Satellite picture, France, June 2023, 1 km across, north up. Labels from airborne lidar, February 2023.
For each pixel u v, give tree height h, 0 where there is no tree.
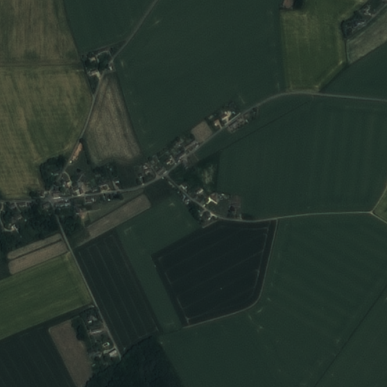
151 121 0
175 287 0
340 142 0
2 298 0
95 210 0
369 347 0
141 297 0
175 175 0
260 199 0
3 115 0
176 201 0
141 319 0
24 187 0
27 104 0
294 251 0
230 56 0
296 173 0
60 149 0
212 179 0
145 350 24
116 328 0
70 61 0
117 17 0
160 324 0
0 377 0
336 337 0
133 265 0
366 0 0
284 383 0
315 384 0
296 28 0
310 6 0
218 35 0
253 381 0
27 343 0
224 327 0
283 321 0
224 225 0
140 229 0
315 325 0
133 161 0
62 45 0
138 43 0
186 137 0
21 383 0
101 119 0
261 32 0
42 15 0
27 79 0
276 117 0
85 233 0
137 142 0
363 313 0
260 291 0
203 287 0
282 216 0
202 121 0
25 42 0
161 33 0
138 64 0
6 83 0
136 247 0
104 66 11
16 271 0
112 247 0
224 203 0
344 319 0
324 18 0
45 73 0
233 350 0
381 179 0
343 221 0
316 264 0
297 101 0
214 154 0
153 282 0
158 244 0
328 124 0
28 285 0
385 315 0
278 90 0
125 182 0
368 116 0
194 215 14
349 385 0
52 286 0
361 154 0
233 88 0
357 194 0
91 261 0
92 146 0
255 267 0
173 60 0
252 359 0
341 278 0
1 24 0
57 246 0
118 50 0
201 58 0
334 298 0
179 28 0
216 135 0
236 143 0
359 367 0
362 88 0
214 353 0
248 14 0
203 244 0
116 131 0
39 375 0
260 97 0
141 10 0
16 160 0
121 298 0
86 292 0
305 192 0
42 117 0
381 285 0
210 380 0
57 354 0
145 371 24
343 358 0
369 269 0
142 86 0
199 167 0
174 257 0
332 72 0
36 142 0
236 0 0
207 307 0
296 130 0
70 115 0
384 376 0
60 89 0
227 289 0
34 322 0
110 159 0
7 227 11
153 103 0
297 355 0
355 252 0
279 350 0
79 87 0
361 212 0
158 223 0
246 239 0
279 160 0
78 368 0
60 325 0
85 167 0
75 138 0
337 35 0
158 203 0
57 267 0
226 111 0
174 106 0
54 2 0
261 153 0
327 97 0
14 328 0
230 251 0
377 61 0
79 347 0
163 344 0
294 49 0
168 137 0
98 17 0
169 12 0
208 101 0
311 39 0
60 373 0
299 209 0
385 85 0
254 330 0
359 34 0
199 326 0
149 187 0
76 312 0
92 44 0
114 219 0
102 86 0
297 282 0
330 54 0
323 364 0
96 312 14
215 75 0
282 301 0
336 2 0
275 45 0
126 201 0
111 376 22
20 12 0
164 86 0
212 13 0
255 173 0
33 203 7
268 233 0
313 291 0
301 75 0
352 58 0
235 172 0
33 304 0
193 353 0
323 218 0
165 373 27
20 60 0
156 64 0
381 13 0
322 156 0
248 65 0
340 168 0
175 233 0
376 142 0
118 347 0
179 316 0
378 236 0
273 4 0
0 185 0
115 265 0
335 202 0
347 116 0
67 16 0
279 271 0
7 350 0
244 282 0
